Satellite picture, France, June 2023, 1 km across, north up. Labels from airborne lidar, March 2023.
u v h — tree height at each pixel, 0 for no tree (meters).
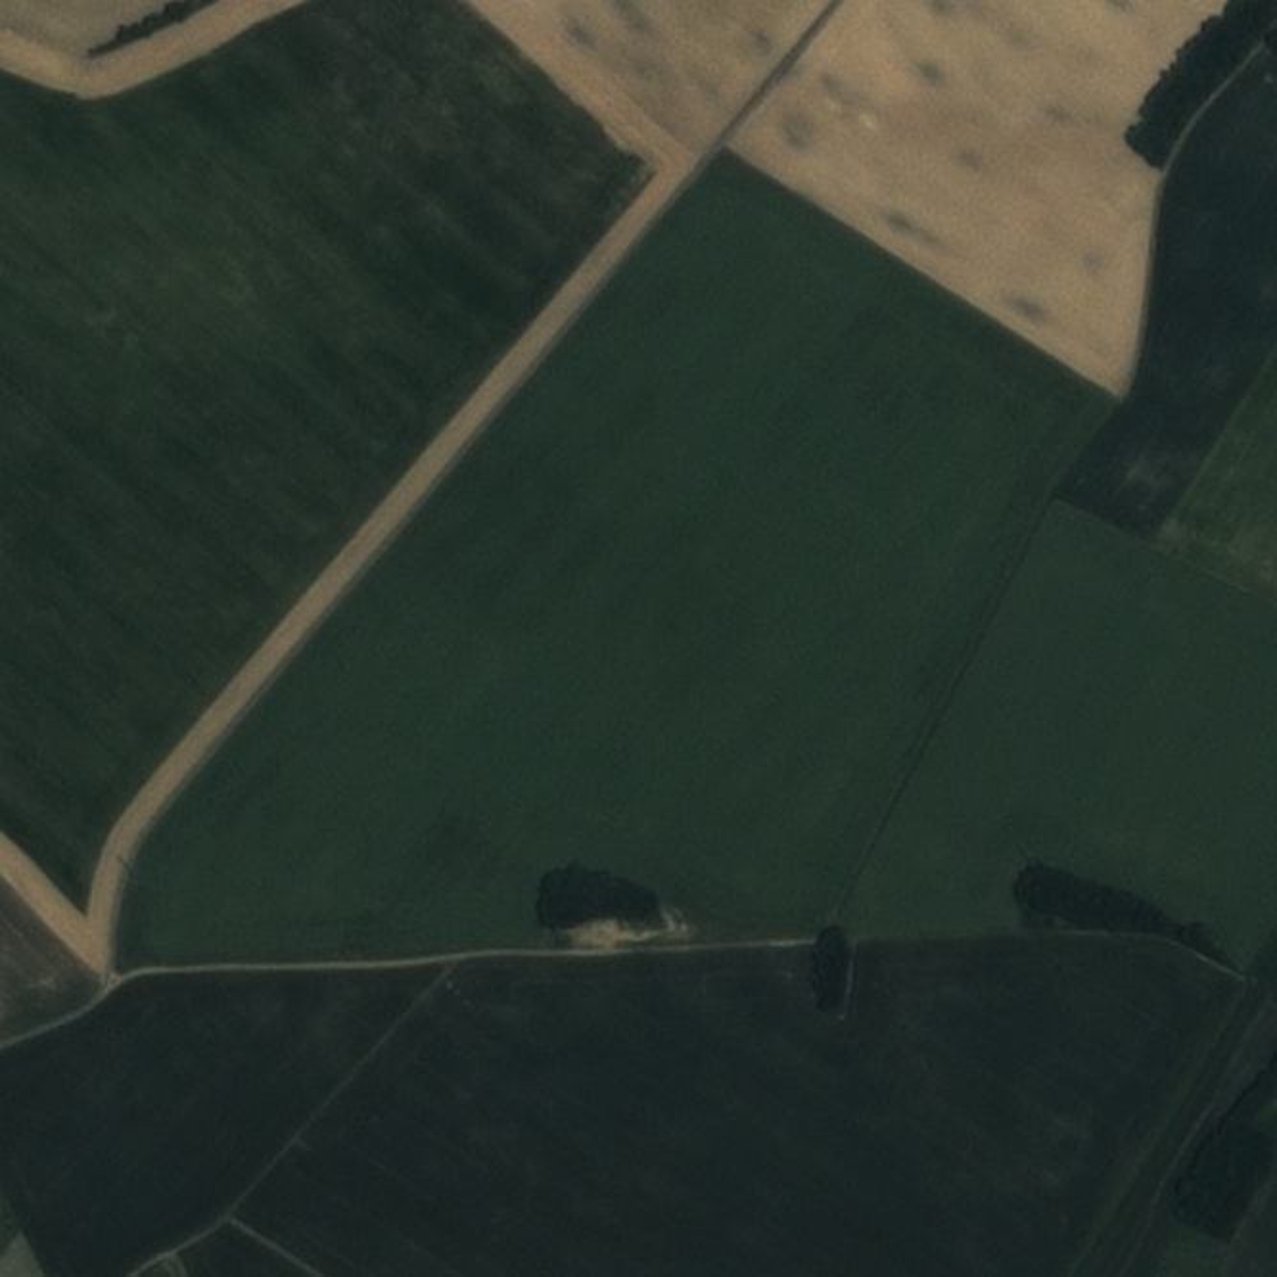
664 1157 0
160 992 0
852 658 0
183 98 0
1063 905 19
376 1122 0
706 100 0
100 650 0
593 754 0
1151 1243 0
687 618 0
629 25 0
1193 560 0
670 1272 0
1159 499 0
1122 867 0
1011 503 0
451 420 0
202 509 0
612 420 0
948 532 0
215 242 0
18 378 0
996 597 0
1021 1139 0
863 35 0
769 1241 0
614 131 0
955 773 0
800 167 0
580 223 0
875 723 0
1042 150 0
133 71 0
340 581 0
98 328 0
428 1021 0
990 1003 0
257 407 0
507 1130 0
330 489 0
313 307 0
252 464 0
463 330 0
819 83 0
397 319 0
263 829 0
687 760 0
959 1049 0
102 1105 0
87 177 0
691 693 0
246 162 0
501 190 0
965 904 0
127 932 0
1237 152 0
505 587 0
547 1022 0
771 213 0
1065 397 0
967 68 0
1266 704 0
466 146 0
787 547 0
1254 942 0
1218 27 18
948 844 0
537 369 0
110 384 0
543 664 0
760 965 0
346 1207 0
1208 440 0
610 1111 0
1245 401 0
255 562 0
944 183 0
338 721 0
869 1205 0
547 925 14
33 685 0
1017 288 0
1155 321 0
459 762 0
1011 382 0
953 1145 0
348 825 0
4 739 0
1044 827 0
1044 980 0
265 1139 0
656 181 0
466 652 0
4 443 0
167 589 0
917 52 0
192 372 0
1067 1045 0
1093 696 0
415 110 0
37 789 0
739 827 0
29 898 0
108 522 0
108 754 0
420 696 0
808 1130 0
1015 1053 0
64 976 0
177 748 0
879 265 0
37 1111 0
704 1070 0
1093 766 0
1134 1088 0
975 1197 0
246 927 0
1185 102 20
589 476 0
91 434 0
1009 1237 0
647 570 0
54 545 0
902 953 0
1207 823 0
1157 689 0
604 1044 0
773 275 0
